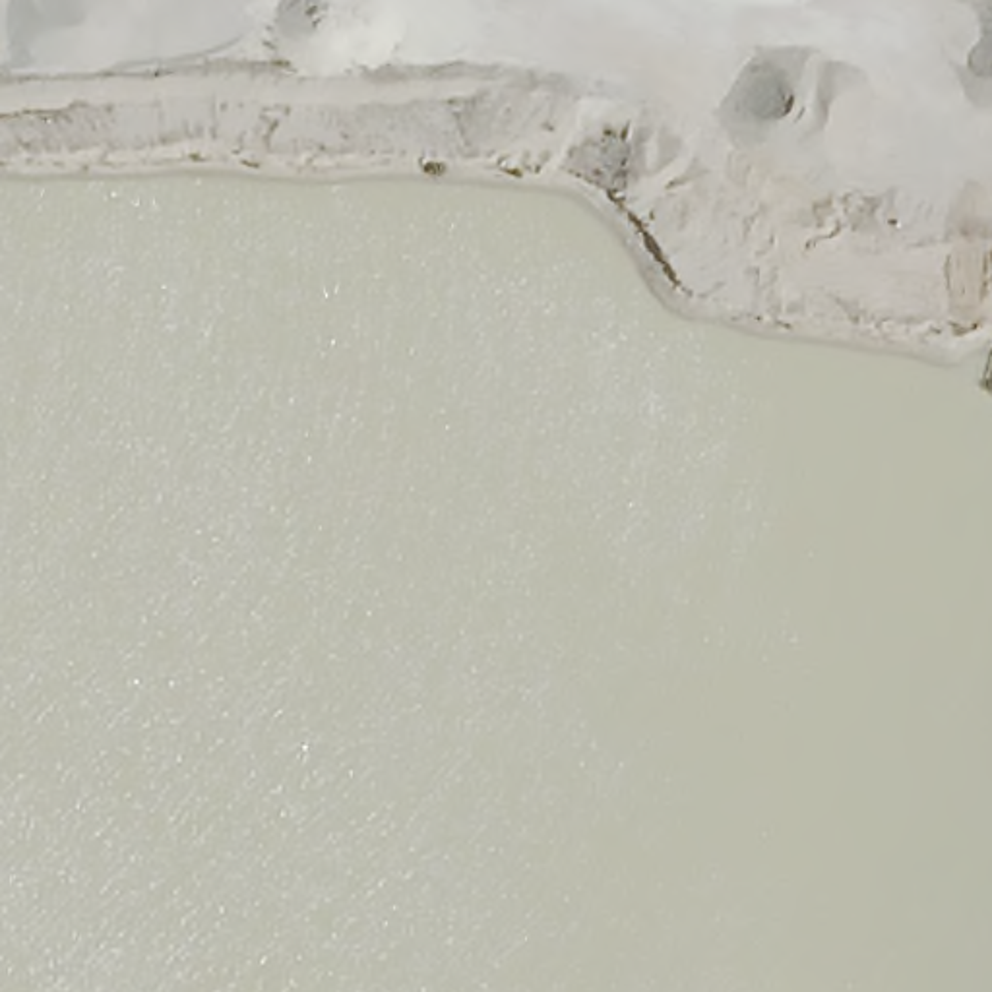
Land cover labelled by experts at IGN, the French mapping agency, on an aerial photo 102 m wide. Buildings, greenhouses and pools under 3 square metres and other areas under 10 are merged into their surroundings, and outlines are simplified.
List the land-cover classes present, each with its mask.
<instances>
[{"label":"water","instance_id":"1","mask_svg":"<svg viewBox=\"0 0 992 992\"><path fill-rule=\"evenodd\" d=\"M632 244H624V236L612 225L601 221V213L589 202L550 186H496L473 178L450 182L446 174L430 178L422 171L349 178L337 190L302 178H248L233 171L89 174L81 167L74 174H0V992H992V391L980 388L984 353L969 360H930L918 353H884L814 337H763L736 326L732 318L686 314L643 287L628 256Z\"/></svg>","mask_w":992,"mask_h":992},{"label":"pervious surface","instance_id":"2","mask_svg":"<svg viewBox=\"0 0 992 992\"><path fill-rule=\"evenodd\" d=\"M81 167L89 174L233 171L248 178H302L337 190L349 178L422 171L430 178L446 174L450 182L473 178L496 186H550L589 202L601 213V221L612 225L624 236V244H632L628 256L643 287L686 314L732 318L736 326L763 337H814L884 353H918L930 360H969L984 353L980 388L992 391V0H0V174H74Z\"/></svg>","mask_w":992,"mask_h":992}]
</instances>
